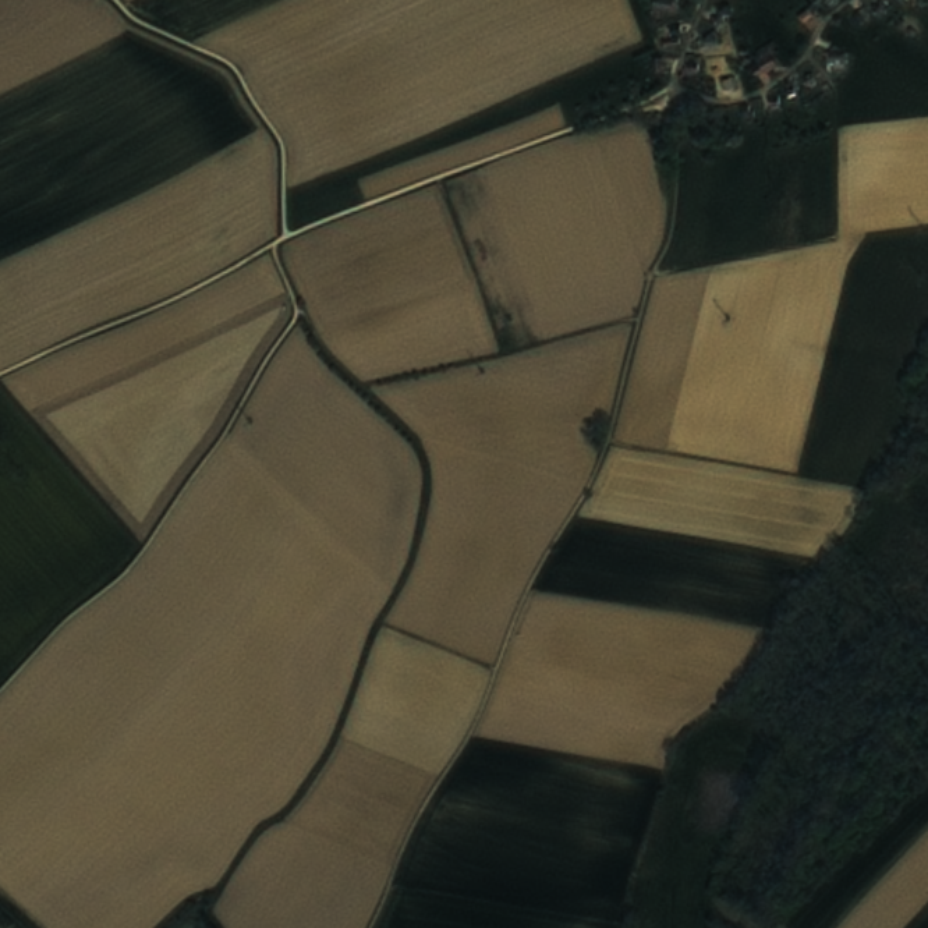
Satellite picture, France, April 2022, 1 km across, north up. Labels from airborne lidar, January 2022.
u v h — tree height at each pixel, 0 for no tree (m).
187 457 0
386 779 0
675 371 0
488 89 0
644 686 0
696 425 0
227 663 0
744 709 29
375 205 0
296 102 0
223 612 0
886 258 0
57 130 0
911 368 17
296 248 0
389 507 0
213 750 0
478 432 0
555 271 0
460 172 0
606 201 0
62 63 0
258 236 0
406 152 0
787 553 0
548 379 0
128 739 0
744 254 0
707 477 0
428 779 0
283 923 0
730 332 0
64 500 0
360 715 0
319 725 0
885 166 0
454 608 0
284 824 0
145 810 0
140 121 0
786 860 31
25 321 0
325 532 0
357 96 0
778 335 0
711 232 0
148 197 0
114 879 0
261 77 0
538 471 0
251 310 0
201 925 8
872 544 0
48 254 0
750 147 0
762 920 25
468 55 0
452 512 0
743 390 0
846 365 0
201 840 0
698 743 0
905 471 27
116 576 0
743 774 0
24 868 0
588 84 0
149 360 0
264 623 0
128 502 0
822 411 0
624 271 0
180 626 0
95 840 0
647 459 0
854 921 0
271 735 0
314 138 0
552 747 0
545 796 0
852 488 0
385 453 0
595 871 0
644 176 0
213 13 0
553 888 0
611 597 0
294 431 0
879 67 0
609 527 0
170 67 0
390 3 0
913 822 0
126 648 0
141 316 0
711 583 0
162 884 0
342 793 0
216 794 0
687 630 0
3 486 0
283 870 0
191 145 0
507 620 0
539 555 0
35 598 0
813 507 0
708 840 0
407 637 0
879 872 0
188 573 0
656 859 0
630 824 0
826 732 22
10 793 0
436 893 0
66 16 0
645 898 0
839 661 29
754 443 0
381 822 0
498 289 0
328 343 0
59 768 0
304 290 0
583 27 0
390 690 0
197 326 0
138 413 0
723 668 0
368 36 0
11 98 0
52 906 0
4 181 0
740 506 0
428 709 0
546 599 0
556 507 0
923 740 20
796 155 0
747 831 22
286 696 0
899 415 0
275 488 0
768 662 27
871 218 0
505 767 0
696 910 0
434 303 0
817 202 0
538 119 0
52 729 0
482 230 0
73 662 0
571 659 0
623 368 0
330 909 0
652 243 0
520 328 0
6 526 0
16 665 0
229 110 0
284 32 0
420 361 0
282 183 0
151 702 0
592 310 0
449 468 0
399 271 0
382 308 0
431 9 0
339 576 0
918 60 0
